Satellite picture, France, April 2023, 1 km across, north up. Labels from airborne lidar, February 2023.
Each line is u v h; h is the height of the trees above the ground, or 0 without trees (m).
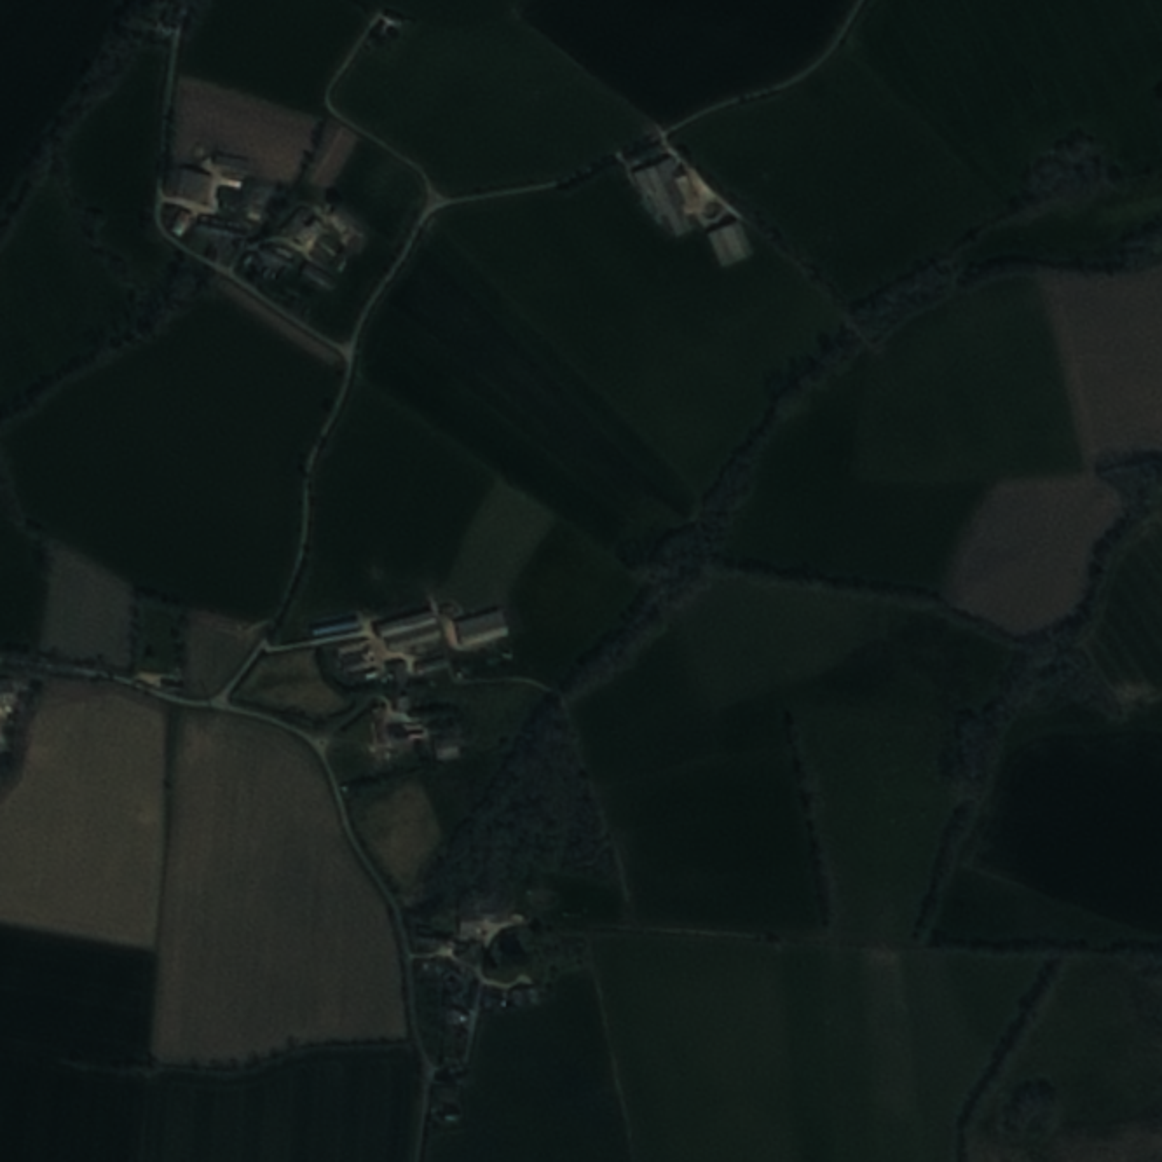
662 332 0
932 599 9
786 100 0
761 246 0
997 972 0
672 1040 0
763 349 0
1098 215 0
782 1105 0
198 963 0
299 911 0
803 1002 0
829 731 0
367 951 0
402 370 0
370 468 0
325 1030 0
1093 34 0
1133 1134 0
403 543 0
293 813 0
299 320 10
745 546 0
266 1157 0
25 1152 0
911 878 0
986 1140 0
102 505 0
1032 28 0
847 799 0
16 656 8
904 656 0
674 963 0
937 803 0
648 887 0
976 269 6
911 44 0
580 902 0
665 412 0
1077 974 0
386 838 0
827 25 0
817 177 0
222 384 0
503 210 0
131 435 0
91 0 0
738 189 0
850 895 0
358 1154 0
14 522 20
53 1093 0
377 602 0
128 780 0
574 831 17
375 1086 0
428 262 0
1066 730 0
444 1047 7
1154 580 0
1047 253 0
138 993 0
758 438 10
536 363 0
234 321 0
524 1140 0
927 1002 0
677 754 0
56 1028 0
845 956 0
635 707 0
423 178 0
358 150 0
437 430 0
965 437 0
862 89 0
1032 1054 0
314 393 0
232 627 0
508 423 0
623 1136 0
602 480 0
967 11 0
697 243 0
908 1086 0
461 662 0
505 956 15
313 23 0
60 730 0
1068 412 0
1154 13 0
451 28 0
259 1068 11
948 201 0
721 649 0
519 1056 0
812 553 0
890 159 0
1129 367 0
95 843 0
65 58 0
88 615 0
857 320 11
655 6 0
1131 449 0
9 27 0
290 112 0
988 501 0
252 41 0
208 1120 0
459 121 0
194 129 0
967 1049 0
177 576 0
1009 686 16
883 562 0
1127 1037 0
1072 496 0
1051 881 0
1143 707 9
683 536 8
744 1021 0
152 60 0
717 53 0
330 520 0
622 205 0
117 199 0
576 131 0
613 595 0
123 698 0
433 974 0
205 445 0
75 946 0
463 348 0
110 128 0
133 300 9
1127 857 0
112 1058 0
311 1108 0
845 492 0
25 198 7
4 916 0
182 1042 0
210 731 0
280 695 0
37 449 0
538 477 0
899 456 0
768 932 0
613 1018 0
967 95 0
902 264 0
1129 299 0
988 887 0
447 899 7
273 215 11
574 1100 0
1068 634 13
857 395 0
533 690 0
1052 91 0
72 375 10
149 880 0
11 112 0
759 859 0
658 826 0
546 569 0
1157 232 13
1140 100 0
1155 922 0
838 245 0
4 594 0
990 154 0
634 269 0
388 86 0
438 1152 0
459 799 0
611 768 0
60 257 0
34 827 0
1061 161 11
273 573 0
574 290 0
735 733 0
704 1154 0
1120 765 0
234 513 0
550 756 20
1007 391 0
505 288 0
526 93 0
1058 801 0
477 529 0
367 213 0
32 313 0
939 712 0
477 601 0
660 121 0
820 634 0
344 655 0
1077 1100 0
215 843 0
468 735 8
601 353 0
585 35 0
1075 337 0
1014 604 0
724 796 0
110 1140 0
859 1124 0
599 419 0
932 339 0
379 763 0
